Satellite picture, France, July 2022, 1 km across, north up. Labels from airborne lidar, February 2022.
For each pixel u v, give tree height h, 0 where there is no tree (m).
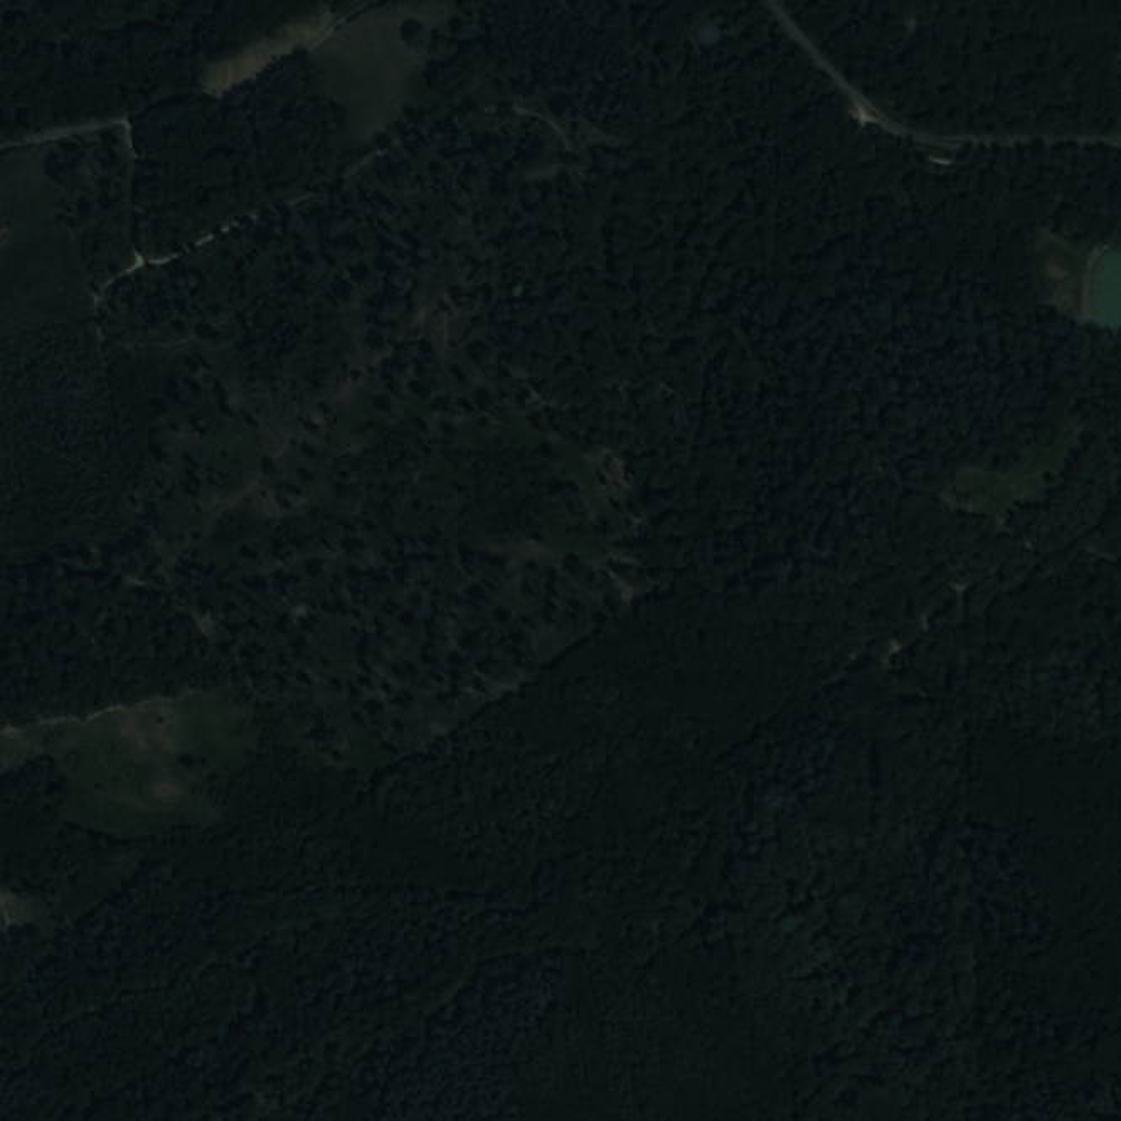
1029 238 27
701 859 9
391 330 25
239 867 12
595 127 37
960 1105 29
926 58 24
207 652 24
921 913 33
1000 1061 20
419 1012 14
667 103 26
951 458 19
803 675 16
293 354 9
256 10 27
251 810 9
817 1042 30
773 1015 21
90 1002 20
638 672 17
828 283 26
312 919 17
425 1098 23
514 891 24
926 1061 37
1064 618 29
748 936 29
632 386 24
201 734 0
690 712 13
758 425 30
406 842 9
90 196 22
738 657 16
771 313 31
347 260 28
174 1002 21
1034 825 14
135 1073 23
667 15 23
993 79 22
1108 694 29
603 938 12
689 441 27
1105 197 19
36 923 0
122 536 0
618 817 11
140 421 6
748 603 25
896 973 38
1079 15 21
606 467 7
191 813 0
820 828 27
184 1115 19
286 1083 24
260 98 18
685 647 23
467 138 27
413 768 19
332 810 11
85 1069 24
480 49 24
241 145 28
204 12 22
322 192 28
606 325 31
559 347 27
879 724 30
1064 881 11
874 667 34
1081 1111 10
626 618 19
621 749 25
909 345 29
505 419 26
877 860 30
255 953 20
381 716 30
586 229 30
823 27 23
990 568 21
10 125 25
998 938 11
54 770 26
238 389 0
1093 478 19
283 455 0
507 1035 26
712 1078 10
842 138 27
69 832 19
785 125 24
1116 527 29
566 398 27
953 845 26
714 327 23
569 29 22
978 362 20
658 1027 11
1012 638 23
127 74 26
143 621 30
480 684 0
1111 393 26
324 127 21
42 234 0
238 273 8
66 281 0
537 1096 15
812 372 29
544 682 16
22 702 27
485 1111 19
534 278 20
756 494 23
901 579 22
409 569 26
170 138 30
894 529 17
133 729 0
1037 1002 12
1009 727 12
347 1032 22
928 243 26
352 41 0
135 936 23
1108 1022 16
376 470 10
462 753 21
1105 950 12
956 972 32
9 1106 29
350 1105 8
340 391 0
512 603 0
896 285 28
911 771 30
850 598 23
